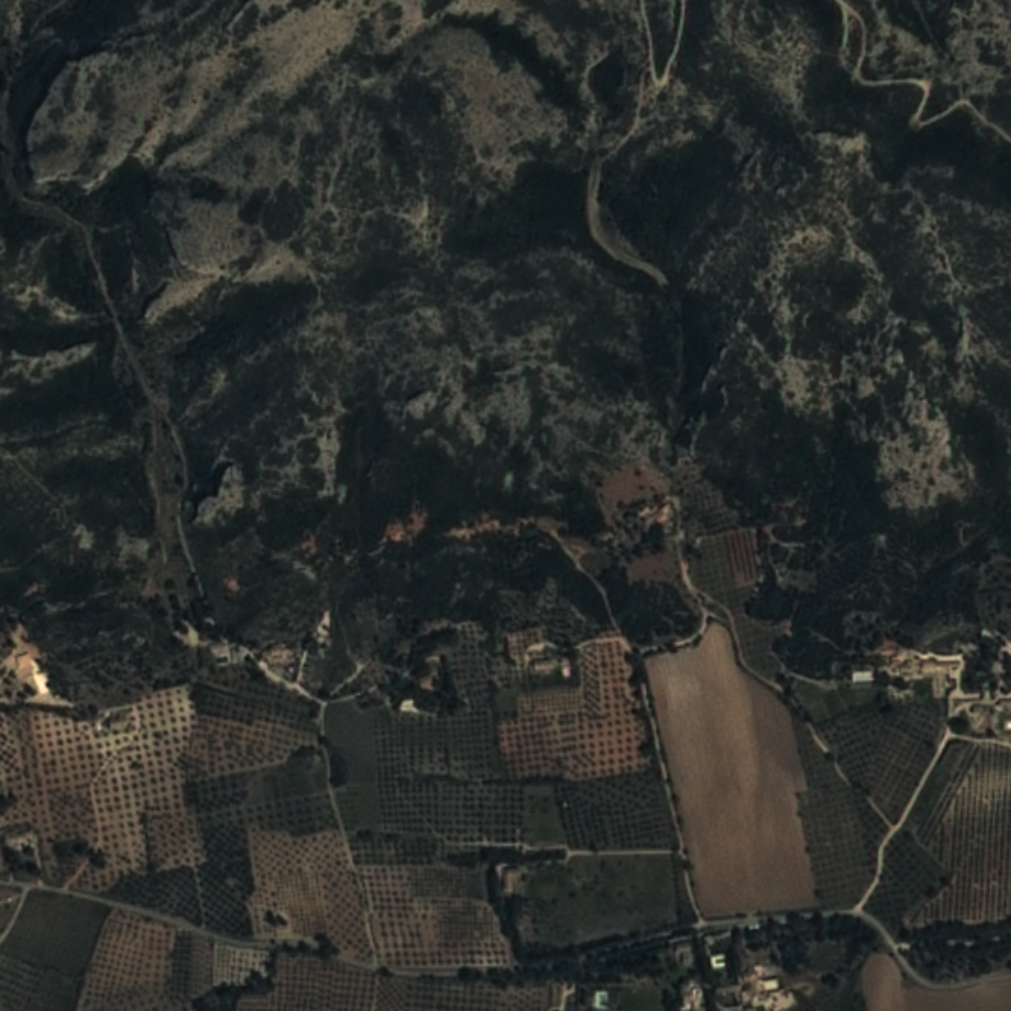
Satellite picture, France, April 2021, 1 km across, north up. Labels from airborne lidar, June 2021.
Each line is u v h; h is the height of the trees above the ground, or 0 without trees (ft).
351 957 0
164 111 0
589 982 37
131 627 0
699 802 0
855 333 0
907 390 0
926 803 0
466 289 0
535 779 22
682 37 0
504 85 0
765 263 0
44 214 0
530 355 0
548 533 19
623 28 0
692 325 20
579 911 0
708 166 0
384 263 0
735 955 30
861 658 22
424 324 0
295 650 33
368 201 0
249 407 0
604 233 0
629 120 0
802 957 53
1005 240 0
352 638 0
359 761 0
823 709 0
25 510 0
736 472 0
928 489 0
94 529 0
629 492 0
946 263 0
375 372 0
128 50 0
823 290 0
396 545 20
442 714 25
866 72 0
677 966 28
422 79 0
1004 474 0
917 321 0
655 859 0
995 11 0
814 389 0
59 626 0
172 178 0
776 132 0
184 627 47
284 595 0
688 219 0
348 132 0
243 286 0
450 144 0
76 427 0
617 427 0
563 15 0
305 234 0
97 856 43
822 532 19
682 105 0
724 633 0
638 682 37
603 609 20
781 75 0
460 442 0
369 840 21
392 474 0
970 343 0
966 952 37
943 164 0
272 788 0
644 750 33
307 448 0
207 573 0
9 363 0
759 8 0
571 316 0
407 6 0
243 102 0
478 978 40
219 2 0
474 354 0
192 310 0
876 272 0
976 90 0
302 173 0
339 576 0
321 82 0
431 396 0
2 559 0
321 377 0
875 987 0
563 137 0
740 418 0
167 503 0
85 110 0
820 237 0
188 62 0
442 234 0
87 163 0
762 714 0
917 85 0
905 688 39
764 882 0
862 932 28
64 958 0
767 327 0
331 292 0
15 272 0
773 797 0
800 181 0
